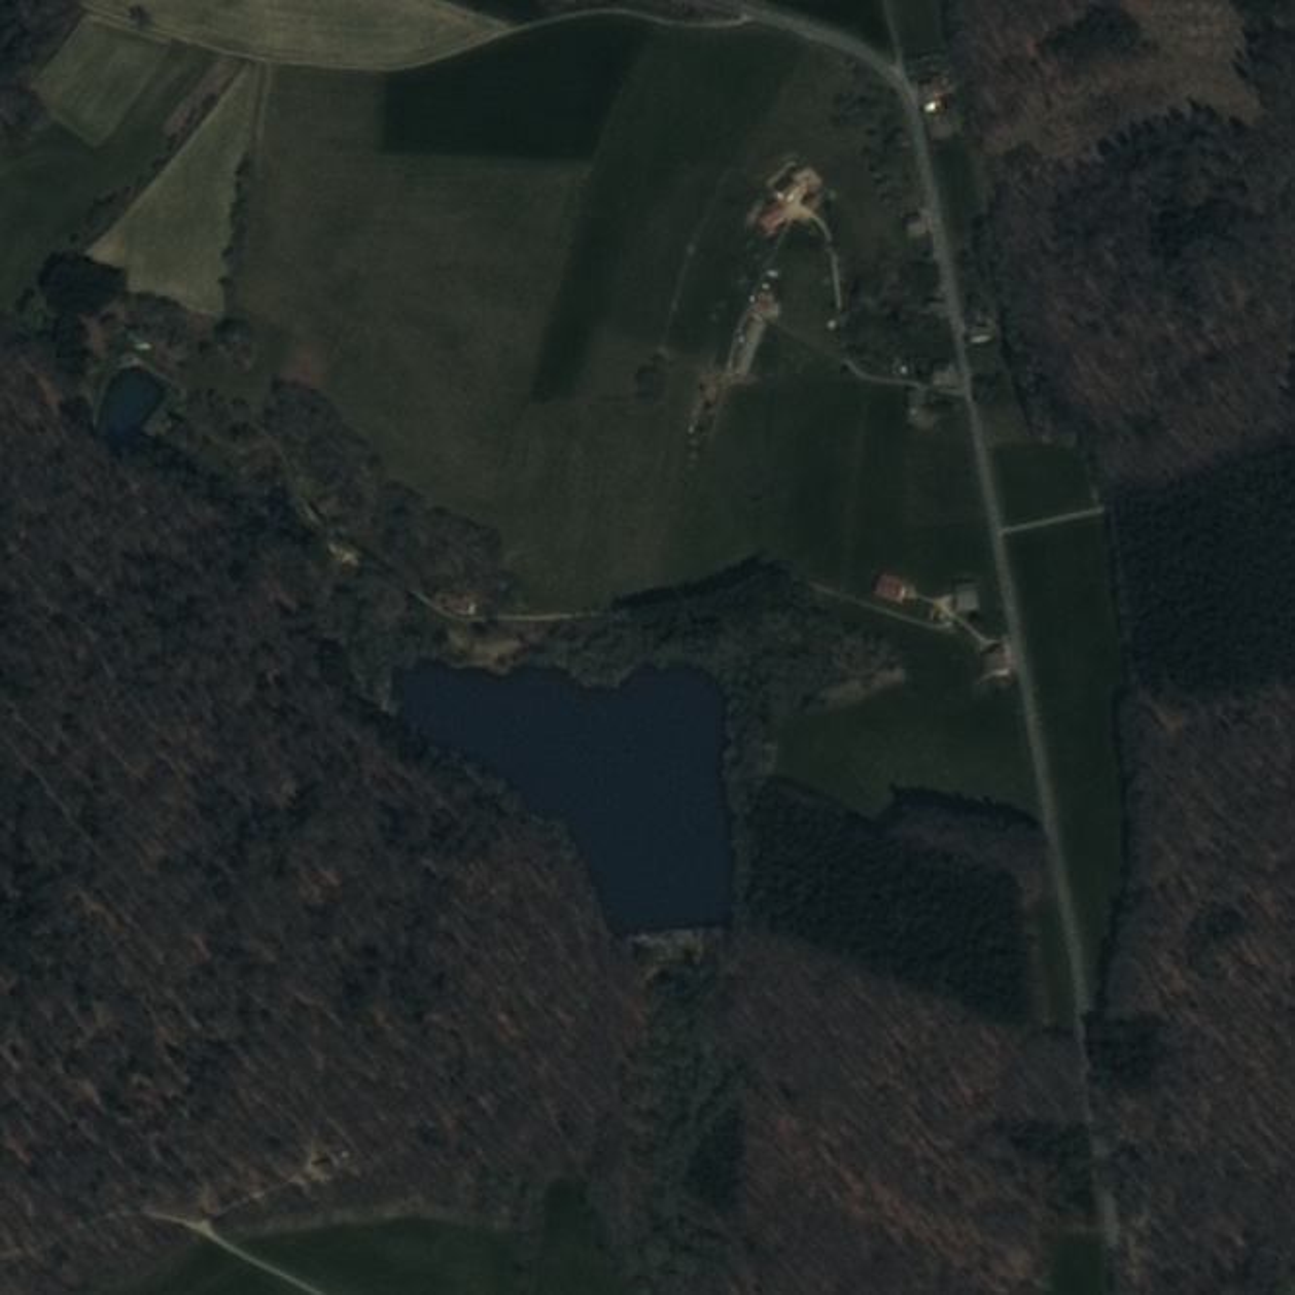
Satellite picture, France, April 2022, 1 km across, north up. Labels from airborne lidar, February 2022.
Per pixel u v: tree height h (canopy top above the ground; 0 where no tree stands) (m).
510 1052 34
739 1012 25
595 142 0
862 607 0
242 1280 0
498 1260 0
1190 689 28
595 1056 35
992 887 33
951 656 0
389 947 32
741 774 18
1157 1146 32
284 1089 31
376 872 35
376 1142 34
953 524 0
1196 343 23
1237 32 0
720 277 0
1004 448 0
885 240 0
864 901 32
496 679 0
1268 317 27
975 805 0
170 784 30
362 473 15
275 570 33
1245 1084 31
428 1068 34
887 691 0
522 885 35
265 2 0
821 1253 26
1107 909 0
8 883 24
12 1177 36
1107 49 17
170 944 30
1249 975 32
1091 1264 0
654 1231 21
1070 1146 18
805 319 0
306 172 0
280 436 14
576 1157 29
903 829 24
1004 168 0
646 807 0
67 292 25
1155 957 33
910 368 8
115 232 0
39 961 29
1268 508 22
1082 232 27
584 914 32
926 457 0
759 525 0
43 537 31
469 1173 35
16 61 22
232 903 34
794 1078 27
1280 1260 33
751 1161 15
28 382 36
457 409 0
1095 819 0
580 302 0
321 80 0
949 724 0
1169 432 24
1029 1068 30
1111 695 0
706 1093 14
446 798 33
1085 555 0
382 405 0
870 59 0
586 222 0
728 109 0
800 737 0
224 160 0
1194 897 28
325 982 34
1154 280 27
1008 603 0
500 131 0
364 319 0
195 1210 33
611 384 0
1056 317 27
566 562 0
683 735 0
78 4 11
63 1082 28
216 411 12
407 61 0
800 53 0
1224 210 15
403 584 16
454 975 31
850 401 0
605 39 0
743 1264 26
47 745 29
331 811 33
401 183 0
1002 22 27
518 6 0
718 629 18
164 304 11
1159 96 0
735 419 0
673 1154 21
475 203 0
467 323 0
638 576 0
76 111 0
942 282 0
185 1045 23
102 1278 29
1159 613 31
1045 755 0
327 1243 0
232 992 30
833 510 0
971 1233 24
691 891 0
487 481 0
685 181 0
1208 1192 31
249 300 0
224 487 20
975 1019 27
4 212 0
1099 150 0
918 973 28
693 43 0
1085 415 25
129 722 26
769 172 0
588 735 0
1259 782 29
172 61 0
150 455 23
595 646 12
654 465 0
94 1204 31
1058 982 0
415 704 0
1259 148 19
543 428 0
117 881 30
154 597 12
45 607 32
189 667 27
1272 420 27
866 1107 28
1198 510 29
